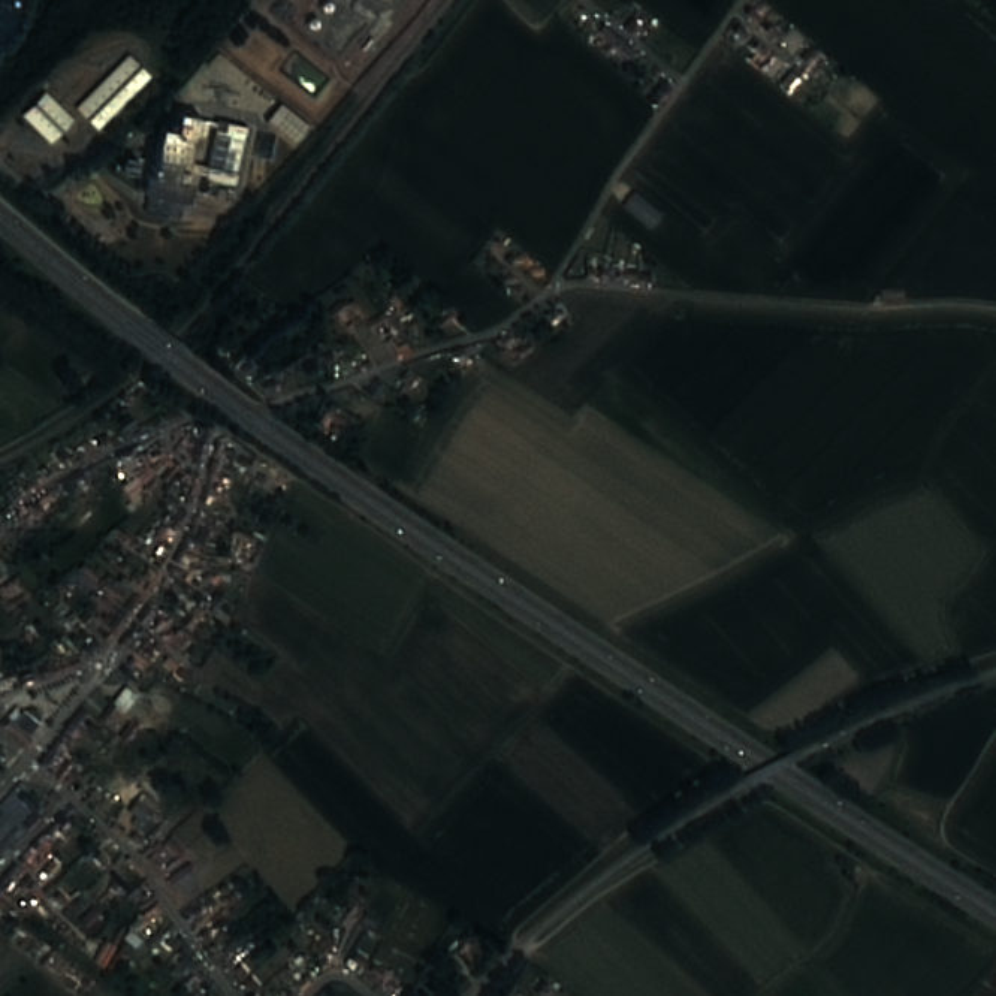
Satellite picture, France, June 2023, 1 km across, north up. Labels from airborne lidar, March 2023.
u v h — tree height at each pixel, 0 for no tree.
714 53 0
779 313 0
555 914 0
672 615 0
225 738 0
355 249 0
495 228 0
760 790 5
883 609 0
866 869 0
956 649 0
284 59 0
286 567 0
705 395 0
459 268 0
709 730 0
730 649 0
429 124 0
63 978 0
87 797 7
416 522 0
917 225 0
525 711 0
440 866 0
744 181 0
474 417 0
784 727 0
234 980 0
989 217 0
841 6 0
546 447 0
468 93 0
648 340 0
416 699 0
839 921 0
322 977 0
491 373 0
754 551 0
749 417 0
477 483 0
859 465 0
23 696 0
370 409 0
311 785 0
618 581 0
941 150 0
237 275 11
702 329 0
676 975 0
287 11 0
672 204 0
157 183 0
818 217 0
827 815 0
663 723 0
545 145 0
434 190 0
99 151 22
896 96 0
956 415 0
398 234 0
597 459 0
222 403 0
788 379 0
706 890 0
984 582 0
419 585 0
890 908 0
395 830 0
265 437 0
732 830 0
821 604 0
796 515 0
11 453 0
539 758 0
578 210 0
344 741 0
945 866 0
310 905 7
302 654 0
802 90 0
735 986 0
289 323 18
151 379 23
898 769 0
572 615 0
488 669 0
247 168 0
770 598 0
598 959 0
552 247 0
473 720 0
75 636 8
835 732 0
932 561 0
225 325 16
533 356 0
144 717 0
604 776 0
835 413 0
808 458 0
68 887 0
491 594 0
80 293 0
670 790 0
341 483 0
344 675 0
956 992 0
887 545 0
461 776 0
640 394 0
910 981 0
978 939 0
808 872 0
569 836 0
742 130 0
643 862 0
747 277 0
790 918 0
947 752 0
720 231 0
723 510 0
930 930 0
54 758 0
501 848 0
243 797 0
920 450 0
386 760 0
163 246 0
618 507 0
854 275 0
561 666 0
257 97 0
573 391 0
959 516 0
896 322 0
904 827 0
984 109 0
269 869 0
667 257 0
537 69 0
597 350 0
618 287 0
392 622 0
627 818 0
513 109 0
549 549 0
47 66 13
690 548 0
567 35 0
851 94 0
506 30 0
